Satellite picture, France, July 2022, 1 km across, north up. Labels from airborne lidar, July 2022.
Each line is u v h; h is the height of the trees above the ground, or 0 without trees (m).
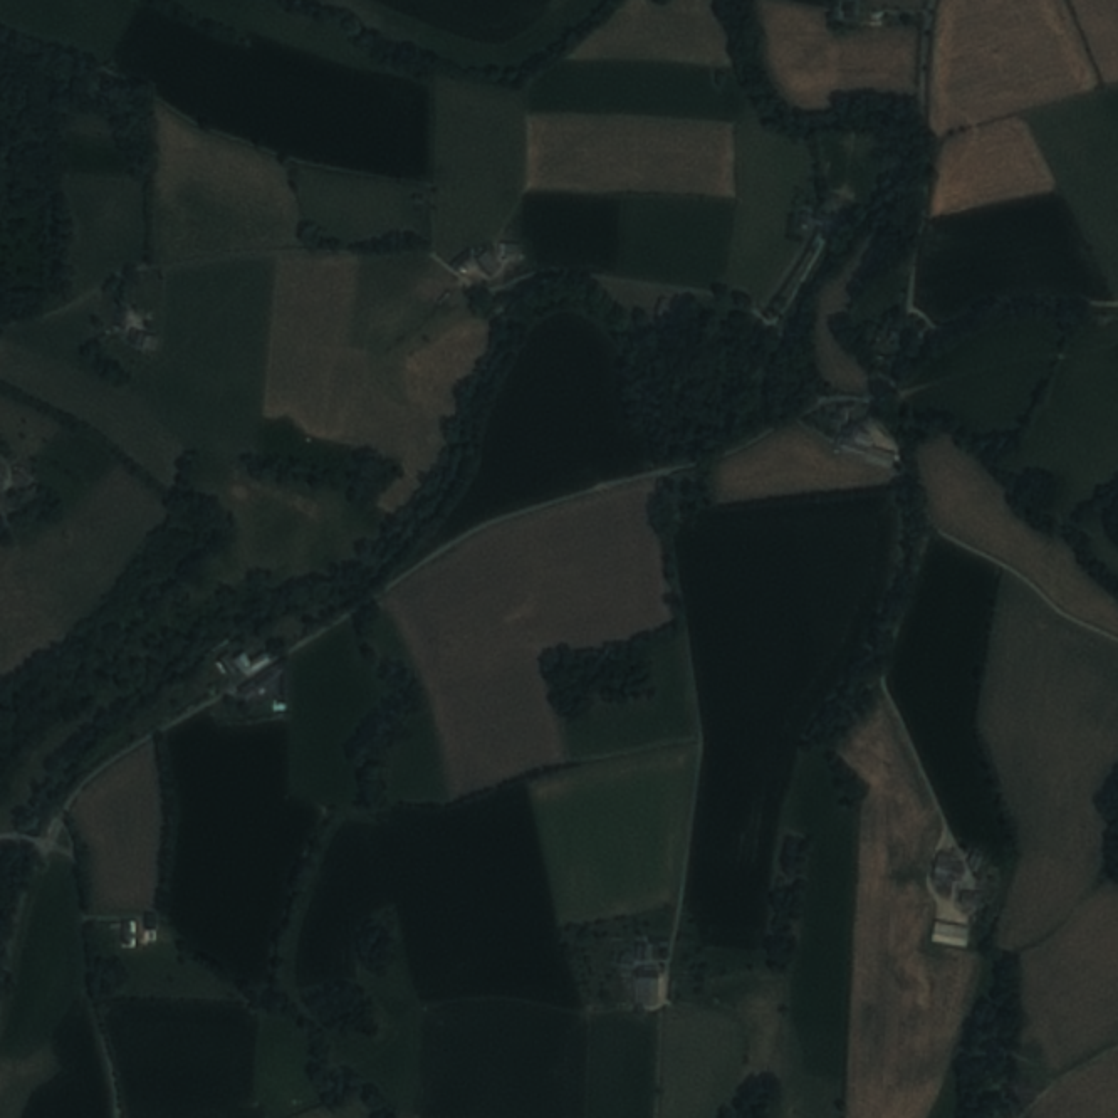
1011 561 0
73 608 0
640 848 0
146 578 13
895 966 0
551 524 0
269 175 0
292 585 11
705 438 28
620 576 0
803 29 0
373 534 0
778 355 24
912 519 16
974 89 0
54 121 13
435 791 0
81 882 18
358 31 16
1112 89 0
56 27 0
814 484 0
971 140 0
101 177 0
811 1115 0
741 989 0
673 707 0
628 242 0
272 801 0
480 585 0
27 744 25
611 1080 0
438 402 0
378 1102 24
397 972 0
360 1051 0
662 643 9
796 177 0
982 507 0
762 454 0
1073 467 0
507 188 0
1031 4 0
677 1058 0
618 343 16
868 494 8
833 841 0
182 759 0
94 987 17
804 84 0
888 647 20
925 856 0
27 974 0
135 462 9
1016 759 0
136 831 0
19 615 0
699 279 0
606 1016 0
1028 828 0
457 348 0
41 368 0
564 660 17
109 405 0
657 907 0
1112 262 0
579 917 0
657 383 23
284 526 0
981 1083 32
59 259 8
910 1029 0
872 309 0
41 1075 0
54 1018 0
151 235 7
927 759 0
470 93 0
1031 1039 0
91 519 0
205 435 0
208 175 0
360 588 17
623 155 0
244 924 0
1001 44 0
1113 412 0
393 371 0
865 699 18
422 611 0
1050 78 0
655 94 0
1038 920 0
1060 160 0
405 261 0
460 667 0
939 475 0
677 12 0
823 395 6
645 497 0
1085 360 0
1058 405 0
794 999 0
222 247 0
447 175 0
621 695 18
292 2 12
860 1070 0
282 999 21
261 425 0
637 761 0
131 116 24
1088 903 0
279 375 0
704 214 0
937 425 19
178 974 0
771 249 0
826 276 14
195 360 0
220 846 0
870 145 0
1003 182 0
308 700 0
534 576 0
